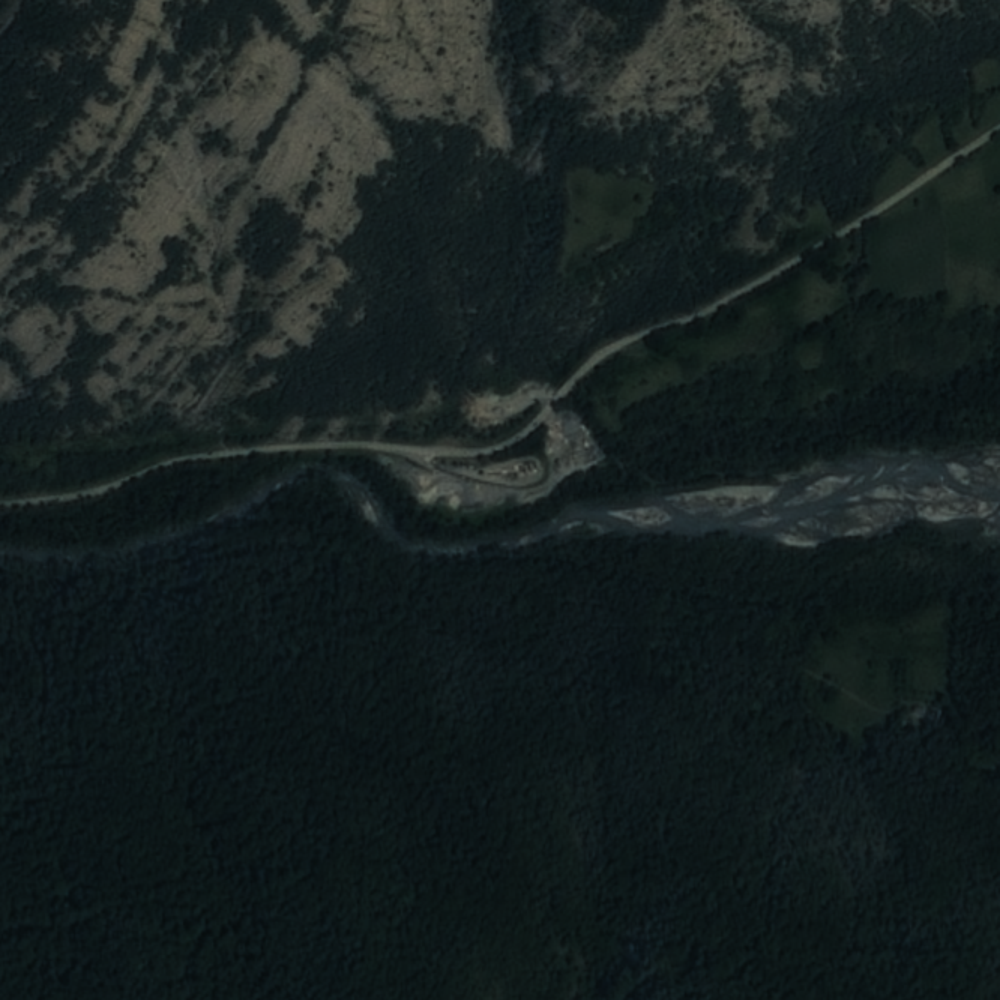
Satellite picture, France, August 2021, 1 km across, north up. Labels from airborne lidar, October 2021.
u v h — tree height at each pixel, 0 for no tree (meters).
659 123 9
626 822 17
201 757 22
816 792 17
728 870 23
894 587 6
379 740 20
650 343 16
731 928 19
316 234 7
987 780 20
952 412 15
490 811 24
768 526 0
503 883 23
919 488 0
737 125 8
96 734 21
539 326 11
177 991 18
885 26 8
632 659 20
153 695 30
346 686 16
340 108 0
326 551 17
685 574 9
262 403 13
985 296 0
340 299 8
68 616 20
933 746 23
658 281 17
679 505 0
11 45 13
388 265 12
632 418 12
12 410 17
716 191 12
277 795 15
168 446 6
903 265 0
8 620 15
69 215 9
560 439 0
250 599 13
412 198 13
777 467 12
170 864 24
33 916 26
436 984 15
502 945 12
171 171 0
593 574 21
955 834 21
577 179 0
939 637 0
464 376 11
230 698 16
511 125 7
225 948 22
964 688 15
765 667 22
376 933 14
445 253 9
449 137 11
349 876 18
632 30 6
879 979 19
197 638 20
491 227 15
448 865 28
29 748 16
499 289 9
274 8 9
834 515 0
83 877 23
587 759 17
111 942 19
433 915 19
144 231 0
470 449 0
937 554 6
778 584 13
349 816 19
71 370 11
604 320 10
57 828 23
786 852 17
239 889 24
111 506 10
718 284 15
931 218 0
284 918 17
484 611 18
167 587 14
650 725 17
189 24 13
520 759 21
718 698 20
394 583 16
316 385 13
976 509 0
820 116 11
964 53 15
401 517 7
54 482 7
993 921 7
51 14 12
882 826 13
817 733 20
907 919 14
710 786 18
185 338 0
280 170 0
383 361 17
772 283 11
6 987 21
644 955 14
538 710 18
